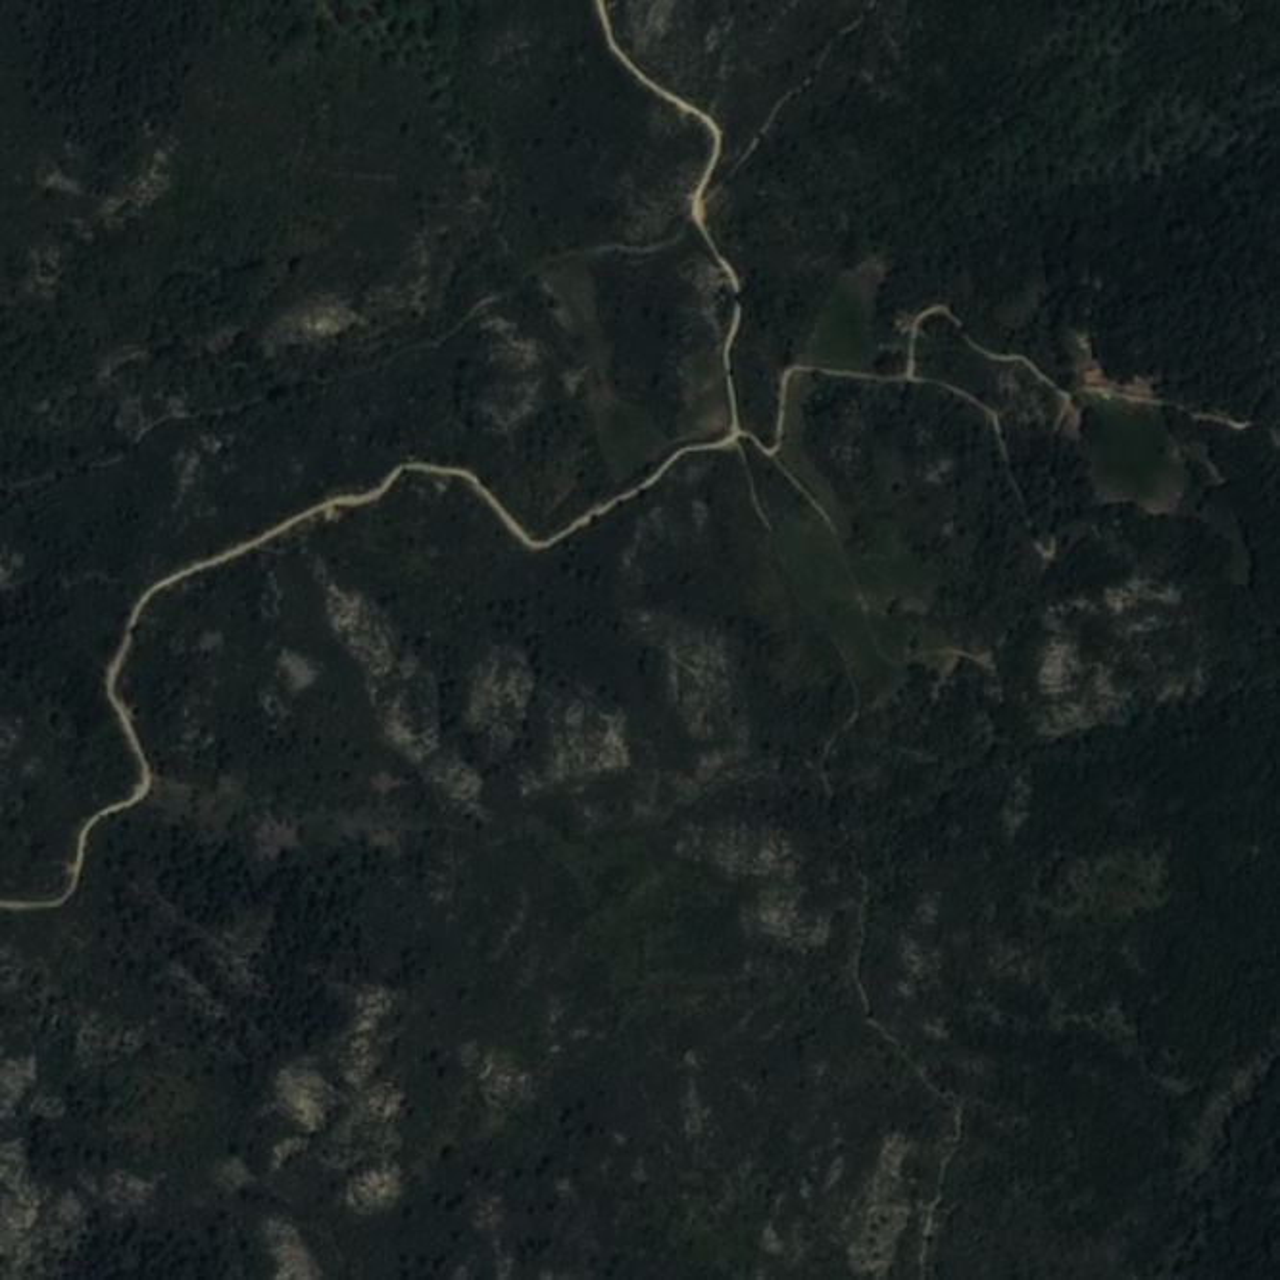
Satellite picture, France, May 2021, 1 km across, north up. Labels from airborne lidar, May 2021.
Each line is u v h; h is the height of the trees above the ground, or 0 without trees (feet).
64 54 46
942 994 20
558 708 0
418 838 25
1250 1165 39
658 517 0
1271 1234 50
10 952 0
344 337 41
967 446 50
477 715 0
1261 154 74
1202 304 72
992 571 22
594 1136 35
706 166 0
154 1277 48
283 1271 0
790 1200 0
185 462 0
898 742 20
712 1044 0
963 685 23
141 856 29
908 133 18
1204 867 39
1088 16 51
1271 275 42
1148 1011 27
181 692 21
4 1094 0
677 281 0
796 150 36
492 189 29
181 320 52
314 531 0
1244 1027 54
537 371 0
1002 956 0
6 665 40
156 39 57
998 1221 21
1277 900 38
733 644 0
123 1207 0
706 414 0
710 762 0
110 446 29
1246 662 24
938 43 30
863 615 0
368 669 0
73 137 33
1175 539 29
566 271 0
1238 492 41
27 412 31
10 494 39
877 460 26
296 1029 46
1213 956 25
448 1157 41
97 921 0
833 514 0
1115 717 58
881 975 0
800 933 0
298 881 44
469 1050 0
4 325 47
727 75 0
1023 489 34
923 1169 23
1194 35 29
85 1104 43
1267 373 54
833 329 0
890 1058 18
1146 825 20
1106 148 27
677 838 0
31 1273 28
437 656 22
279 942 42
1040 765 30
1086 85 83
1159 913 20
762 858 0
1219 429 45
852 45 31
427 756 0
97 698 29
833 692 38
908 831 30
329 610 0
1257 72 33
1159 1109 23
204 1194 0
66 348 34
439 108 29
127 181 0
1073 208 60
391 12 72
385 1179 0
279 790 34
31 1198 0
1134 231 52
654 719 0
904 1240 19
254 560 23
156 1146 22
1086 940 19
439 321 17
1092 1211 30
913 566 0
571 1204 0
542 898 0
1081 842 22
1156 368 47
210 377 29
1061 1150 23
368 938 44
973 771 23
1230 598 53
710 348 0
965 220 48
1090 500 62
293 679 0
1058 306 28
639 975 0
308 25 58
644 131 0
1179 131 76
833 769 25
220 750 27
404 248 0
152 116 42
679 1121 0
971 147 54
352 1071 0
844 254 23
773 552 0
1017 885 21
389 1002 0
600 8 0
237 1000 32
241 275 63
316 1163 0
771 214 26
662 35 0
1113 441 0
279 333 0
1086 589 32
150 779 0
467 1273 0
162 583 0
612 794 0
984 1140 22
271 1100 0
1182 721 46
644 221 0
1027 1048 25
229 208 35
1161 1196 22
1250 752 42
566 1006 0
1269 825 36
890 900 20
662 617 0
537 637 35
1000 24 22
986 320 28
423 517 0
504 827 0
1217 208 48
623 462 0
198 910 43
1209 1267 39
